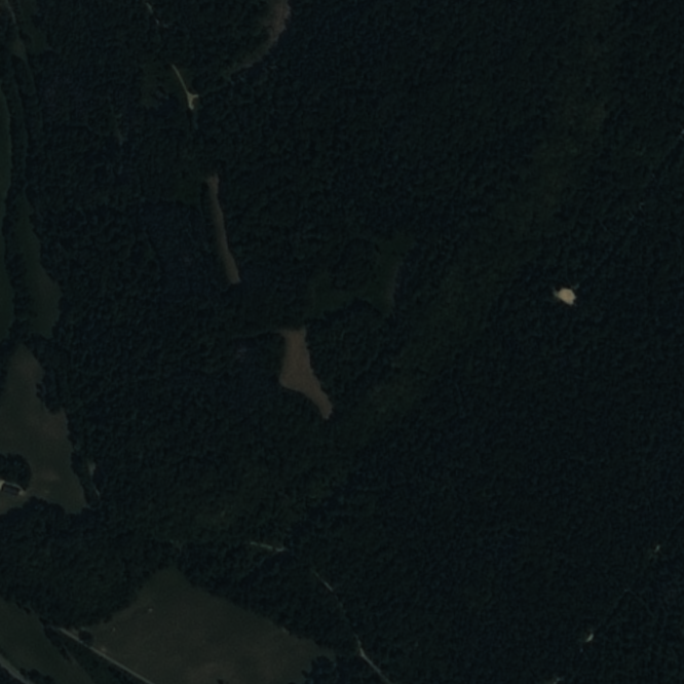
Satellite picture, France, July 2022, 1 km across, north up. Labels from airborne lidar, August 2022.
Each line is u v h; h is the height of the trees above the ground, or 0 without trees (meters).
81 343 8
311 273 23
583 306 23
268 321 22
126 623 0
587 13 22
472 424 25
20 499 0
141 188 24
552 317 23
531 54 20
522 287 29
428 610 25
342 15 22
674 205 25
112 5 18
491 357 20
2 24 20
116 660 0
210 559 25
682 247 26
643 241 16
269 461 28
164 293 6
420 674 21
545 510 25
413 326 23
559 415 23
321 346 16
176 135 20
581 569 20
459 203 18
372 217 20
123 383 14
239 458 18
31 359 0
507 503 28
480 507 23
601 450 26
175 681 0
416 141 21
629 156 26
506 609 25
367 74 22
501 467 22
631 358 28
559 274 22
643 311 24
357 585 18
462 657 27
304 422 17
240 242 17
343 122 19
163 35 15
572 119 18
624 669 19
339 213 21
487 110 25
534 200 19
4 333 0
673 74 22
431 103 27
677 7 21
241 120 22
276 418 20
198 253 15
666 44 25
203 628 0
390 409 19
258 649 0
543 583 21
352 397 14
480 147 17
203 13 23
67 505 0
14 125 13
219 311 22
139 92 14
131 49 16
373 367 13
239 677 0
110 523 21
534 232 20
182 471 18
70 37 17
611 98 28
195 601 0
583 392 19
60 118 21
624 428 25
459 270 19
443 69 22
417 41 30
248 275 23
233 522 24
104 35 17
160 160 20
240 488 15
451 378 19
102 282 22
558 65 17
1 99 0
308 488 32
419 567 21
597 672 19
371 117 18
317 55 18
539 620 24
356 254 26
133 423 17
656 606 14
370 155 23
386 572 22
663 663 17
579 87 20
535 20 21
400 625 25
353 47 20
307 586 21
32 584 17
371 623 25
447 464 31
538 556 22
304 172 22
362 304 23
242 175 24
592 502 19
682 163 23
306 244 21
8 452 0
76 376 15
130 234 28
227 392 28
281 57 19
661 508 21
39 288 0
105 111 7
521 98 20
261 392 28
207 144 24
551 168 19
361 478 21
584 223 27
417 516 17
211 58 23
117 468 18
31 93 22
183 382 25
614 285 21
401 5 24
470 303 20
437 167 22
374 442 20
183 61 21
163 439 16
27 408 0
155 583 0
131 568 20
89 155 7
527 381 24
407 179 28
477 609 19
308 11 17
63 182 21
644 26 24
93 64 17
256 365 26
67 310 24
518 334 25
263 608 24
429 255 17
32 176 23
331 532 24
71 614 20
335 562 19
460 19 24
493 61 21
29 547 15
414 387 21
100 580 17
